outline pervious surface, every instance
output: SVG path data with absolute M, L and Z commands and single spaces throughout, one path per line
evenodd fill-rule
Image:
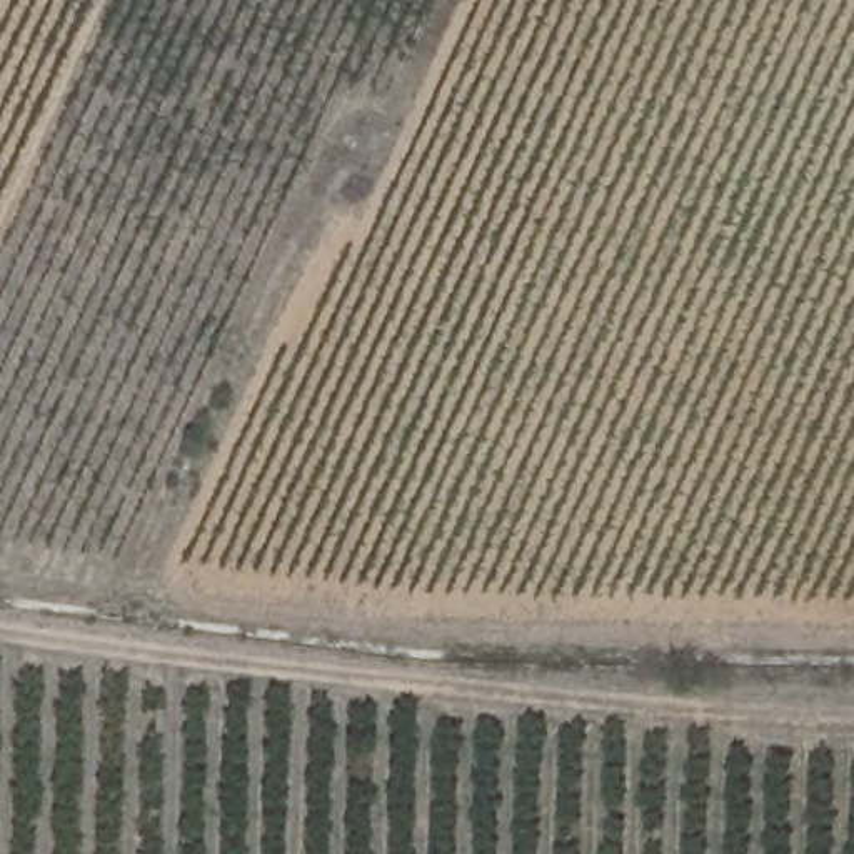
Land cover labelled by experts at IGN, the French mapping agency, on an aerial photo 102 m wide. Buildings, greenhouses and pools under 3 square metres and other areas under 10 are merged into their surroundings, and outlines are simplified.
M 854 751 L 854 647 L 727 644 L 717 654 L 721 661 L 734 664 L 731 687 L 724 691 L 671 694 L 664 684 L 647 684 L 641 691 L 577 684 L 570 674 L 517 681 L 500 671 L 447 667 L 444 651 L 454 641 L 414 627 L 410 617 L 370 620 L 364 630 L 334 630 L 324 617 L 274 614 L 244 620 L 237 610 L 214 614 L 203 607 L 180 607 L 173 597 L 153 597 L 150 590 L 153 580 L 163 574 L 170 540 L 190 510 L 187 504 L 170 504 L 170 494 L 160 497 L 157 490 L 150 490 L 143 524 L 133 530 L 133 537 L 127 537 L 120 557 L 110 557 L 103 550 L 53 550 L 40 540 L 0 544 L 0 644 L 103 657 L 113 667 L 140 661 L 200 671 L 203 677 L 224 674 L 227 681 L 270 677 L 290 684 L 314 684 L 324 691 L 347 687 L 354 697 L 377 697 L 387 691 L 414 694 L 427 697 L 450 717 L 494 714 L 500 727 L 514 727 L 517 717 L 534 707 L 544 711 L 544 717 L 584 717 L 584 731 L 600 731 L 604 721 L 617 714 L 624 717 L 624 741 L 644 741 L 651 727 L 707 724 L 711 751 L 724 754 L 734 741 L 744 741 L 747 751 L 814 751 L 817 744 L 831 751 Z M 13 604 L 17 597 L 87 604 L 87 614 L 20 610 Z

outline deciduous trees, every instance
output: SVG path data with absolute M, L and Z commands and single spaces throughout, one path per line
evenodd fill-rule
M 517 651 L 454 641 L 444 651 L 447 667 L 500 671 L 517 681 L 570 674 L 604 667 L 607 674 L 627 674 L 641 691 L 647 684 L 664 684 L 671 694 L 724 691 L 731 687 L 734 664 L 721 661 L 717 654 L 707 647 L 627 651 L 584 644 L 534 644 Z
M 387 691 L 377 697 L 354 697 L 347 687 L 324 691 L 314 684 L 290 684 L 270 677 L 227 681 L 224 674 L 203 677 L 200 671 L 140 661 L 113 667 L 103 657 L 0 644 L 0 854 L 854 854 L 854 751 L 831 751 L 817 744 L 814 751 L 747 751 L 744 741 L 734 741 L 724 754 L 711 751 L 707 724 L 651 727 L 644 741 L 624 741 L 624 717 L 617 714 L 604 721 L 600 731 L 584 731 L 584 717 L 544 717 L 544 711 L 534 707 L 517 717 L 514 727 L 500 727 L 494 714 L 450 717 L 427 697 L 414 694 Z
M 210 457 L 217 450 L 217 434 L 190 420 L 183 427 L 180 450 L 187 450 L 187 457 Z

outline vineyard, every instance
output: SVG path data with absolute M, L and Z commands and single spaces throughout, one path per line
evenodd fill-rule
M 210 457 L 187 457 L 187 450 L 180 450 L 183 427 L 190 420 L 217 434 L 217 450 Z M 374 587 L 384 584 L 457 594 L 490 587 L 500 594 L 507 590 L 534 597 L 580 594 L 584 587 L 594 594 L 647 590 L 664 597 L 854 597 L 854 0 L 0 0 L 0 544 L 40 540 L 53 550 L 103 550 L 110 557 L 120 557 L 127 537 L 133 537 L 133 530 L 143 524 L 150 490 L 157 490 L 160 497 L 170 494 L 170 504 L 187 504 L 190 510 L 200 520 L 183 547 L 183 560 L 193 564 L 297 574 L 304 550 L 314 550 L 307 574 L 324 574 L 330 580 L 360 580 Z
M 20 610 L 87 614 L 87 604 L 17 597 L 13 604 Z

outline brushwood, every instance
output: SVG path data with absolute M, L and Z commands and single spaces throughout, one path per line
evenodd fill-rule
M 570 674 L 577 684 L 641 691 L 627 674 L 607 674 L 604 667 Z

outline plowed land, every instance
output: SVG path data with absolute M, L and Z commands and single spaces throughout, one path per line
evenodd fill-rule
M 324 617 L 334 630 L 364 630 L 370 620 L 410 617 L 414 627 L 454 641 L 517 651 L 534 644 L 584 644 L 627 651 L 707 647 L 717 654 L 727 644 L 854 647 L 854 597 L 664 597 L 647 590 L 594 594 L 584 587 L 580 594 L 534 597 L 507 590 L 500 594 L 490 587 L 457 594 L 384 584 L 374 587 L 360 580 L 330 580 L 324 574 L 307 574 L 314 550 L 304 550 L 297 574 L 193 564 L 183 560 L 183 547 L 200 520 L 190 510 L 170 540 L 163 574 L 153 580 L 150 590 L 153 597 L 173 597 L 180 607 L 203 607 L 214 614 L 237 610 L 244 620 L 274 614 Z

